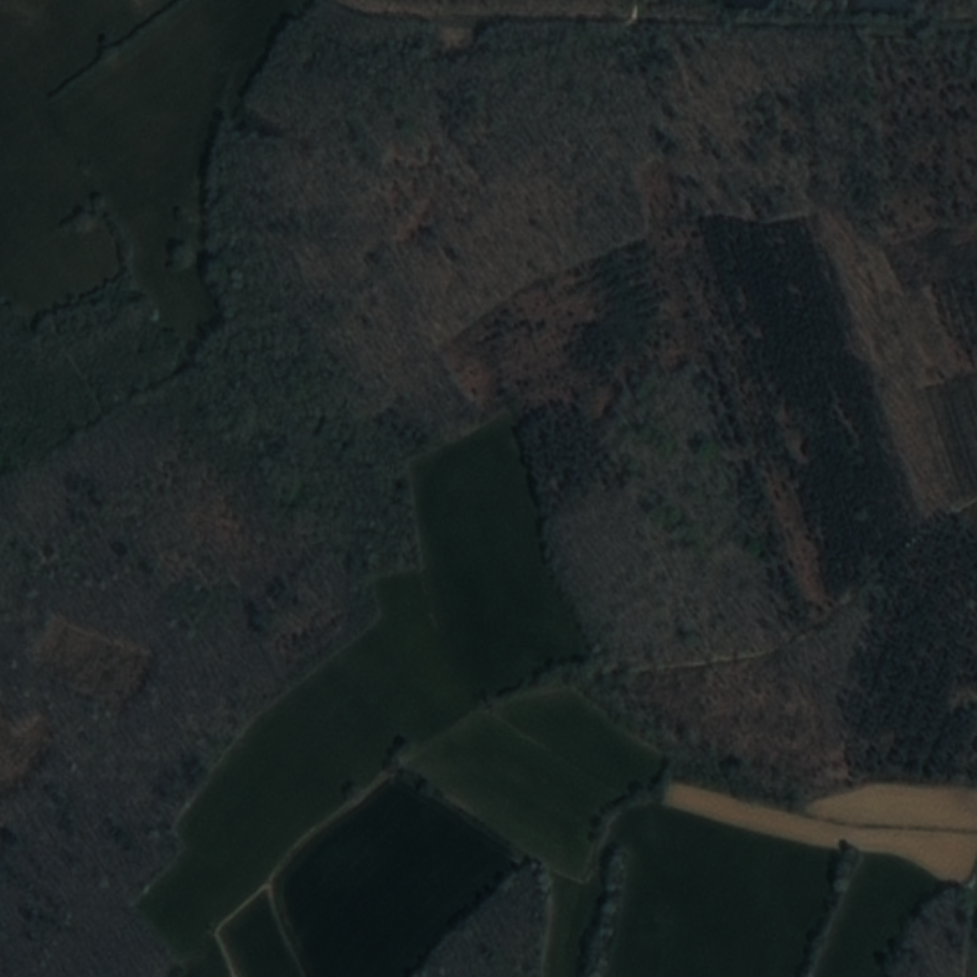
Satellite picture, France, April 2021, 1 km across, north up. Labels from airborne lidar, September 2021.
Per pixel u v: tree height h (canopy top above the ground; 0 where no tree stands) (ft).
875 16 28
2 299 36
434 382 54
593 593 55
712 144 55
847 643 32
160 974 56
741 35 46
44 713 55
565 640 0
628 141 53
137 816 59
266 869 0
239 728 61
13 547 47
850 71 64
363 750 0
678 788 0
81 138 0
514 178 52
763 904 0
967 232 0
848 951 0
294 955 0
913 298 22
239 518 41
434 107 62
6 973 65
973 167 0
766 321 39
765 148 52
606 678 53
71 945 69
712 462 56
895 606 61
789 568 25
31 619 68
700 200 52
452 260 48
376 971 0
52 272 0
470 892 0
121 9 0
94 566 63
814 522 37
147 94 0
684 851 0
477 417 38
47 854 69
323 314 59
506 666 0
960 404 18
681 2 69
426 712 0
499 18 0
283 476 82
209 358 73
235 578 30
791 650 39
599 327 30
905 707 55
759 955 0
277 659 35
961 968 53
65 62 0
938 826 0
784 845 0
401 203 32
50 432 43
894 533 29
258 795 0
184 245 36
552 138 55
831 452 34
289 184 70
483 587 0
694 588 42
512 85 55
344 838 0
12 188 0
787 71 60
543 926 72
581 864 0
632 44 54
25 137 0
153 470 43
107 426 51
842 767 34
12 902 53
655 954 0
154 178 0
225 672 57
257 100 62
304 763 0
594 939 47
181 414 41
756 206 55
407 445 73
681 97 54
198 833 0
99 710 61
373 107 61
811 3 62
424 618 0
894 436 70
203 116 0
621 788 0
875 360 61
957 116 0
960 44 59
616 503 46
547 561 27
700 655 46
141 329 46
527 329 24
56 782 77
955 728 57
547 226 32
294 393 97
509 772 0
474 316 44
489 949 60
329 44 61
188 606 52
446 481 0
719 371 58
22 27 0
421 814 0
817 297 41
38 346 58
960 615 63
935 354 72
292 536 46
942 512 57
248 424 84
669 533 57
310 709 0
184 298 0
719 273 37
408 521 47
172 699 59
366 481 77
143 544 51
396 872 0
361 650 0
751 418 25
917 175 0
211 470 36
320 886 0
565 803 0
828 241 69
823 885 0
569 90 47
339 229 59
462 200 37
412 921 0
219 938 0
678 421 77
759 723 22
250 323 80
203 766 71
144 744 77
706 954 0
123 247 48
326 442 69
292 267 70
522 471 0
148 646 61
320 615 30
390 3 48
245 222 60
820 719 45
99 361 50
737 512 62
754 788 65
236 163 75
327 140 57
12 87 0
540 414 31
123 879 69
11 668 60
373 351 49
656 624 52
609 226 52
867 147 40
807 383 36
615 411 50
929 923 75
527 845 0
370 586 42
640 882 0
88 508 65
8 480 54
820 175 64
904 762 61
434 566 0
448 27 0
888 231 0
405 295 52
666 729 59
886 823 0
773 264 35
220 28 0
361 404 84
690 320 34
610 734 0
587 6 63
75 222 37
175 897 0
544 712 0
